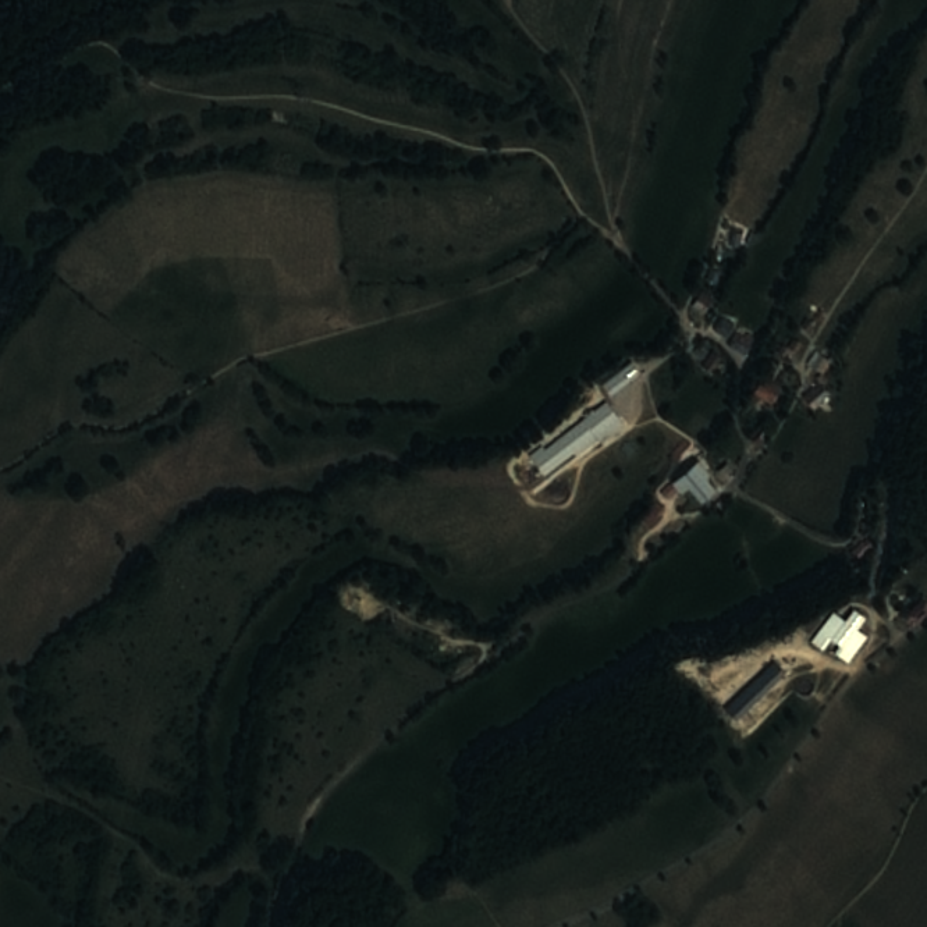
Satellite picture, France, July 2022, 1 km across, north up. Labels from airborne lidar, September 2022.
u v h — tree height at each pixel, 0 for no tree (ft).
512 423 0
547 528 0
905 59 52
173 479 0
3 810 0
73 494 59
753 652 0
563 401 55
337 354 0
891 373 0
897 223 0
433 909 0
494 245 0
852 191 21
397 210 0
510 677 0
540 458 0
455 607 52
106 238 0
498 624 21
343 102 0
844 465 0
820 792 0
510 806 42
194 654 0
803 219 0
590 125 0
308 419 0
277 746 20
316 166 26
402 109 0
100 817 18
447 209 0
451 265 0
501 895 0
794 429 0
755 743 0
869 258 0
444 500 0
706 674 0
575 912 0
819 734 27
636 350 63
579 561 0
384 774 0
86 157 49
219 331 0
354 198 0
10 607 0
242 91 0
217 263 0
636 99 0
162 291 0
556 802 40
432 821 0
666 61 46
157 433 26
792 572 0
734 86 0
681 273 0
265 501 47
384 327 0
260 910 65
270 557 0
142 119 0
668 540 38
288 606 0
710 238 0
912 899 0
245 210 0
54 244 46
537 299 0
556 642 0
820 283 0
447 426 0
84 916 32
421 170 54
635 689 54
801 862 0
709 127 0
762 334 38
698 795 0
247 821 25
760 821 0
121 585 43
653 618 0
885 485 57
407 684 0
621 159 0
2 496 0
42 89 71
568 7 0
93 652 0
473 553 0
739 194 0
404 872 0
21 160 0
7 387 0
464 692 0
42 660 22
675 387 25
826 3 0
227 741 0
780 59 0
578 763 55
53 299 0
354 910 46
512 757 77
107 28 71
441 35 69
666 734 44
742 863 0
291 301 0
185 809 31
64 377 0
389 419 0
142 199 0
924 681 0
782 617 94
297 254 0
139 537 0
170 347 0
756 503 0
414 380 0
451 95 31
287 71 0
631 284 0
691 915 0
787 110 0
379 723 0
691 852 0
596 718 34
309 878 91
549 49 0
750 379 67
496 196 0
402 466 50
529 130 33
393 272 0
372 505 0
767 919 0
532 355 0
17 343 0
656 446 0
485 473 0
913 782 0
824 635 0
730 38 0
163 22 0
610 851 0
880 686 0
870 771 0
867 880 0
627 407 0
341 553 0
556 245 44
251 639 0
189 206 0
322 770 0
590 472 0
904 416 97
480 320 0
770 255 0
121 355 0
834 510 0
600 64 0
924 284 0
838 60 27
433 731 0
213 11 0
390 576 74
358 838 0
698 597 0
